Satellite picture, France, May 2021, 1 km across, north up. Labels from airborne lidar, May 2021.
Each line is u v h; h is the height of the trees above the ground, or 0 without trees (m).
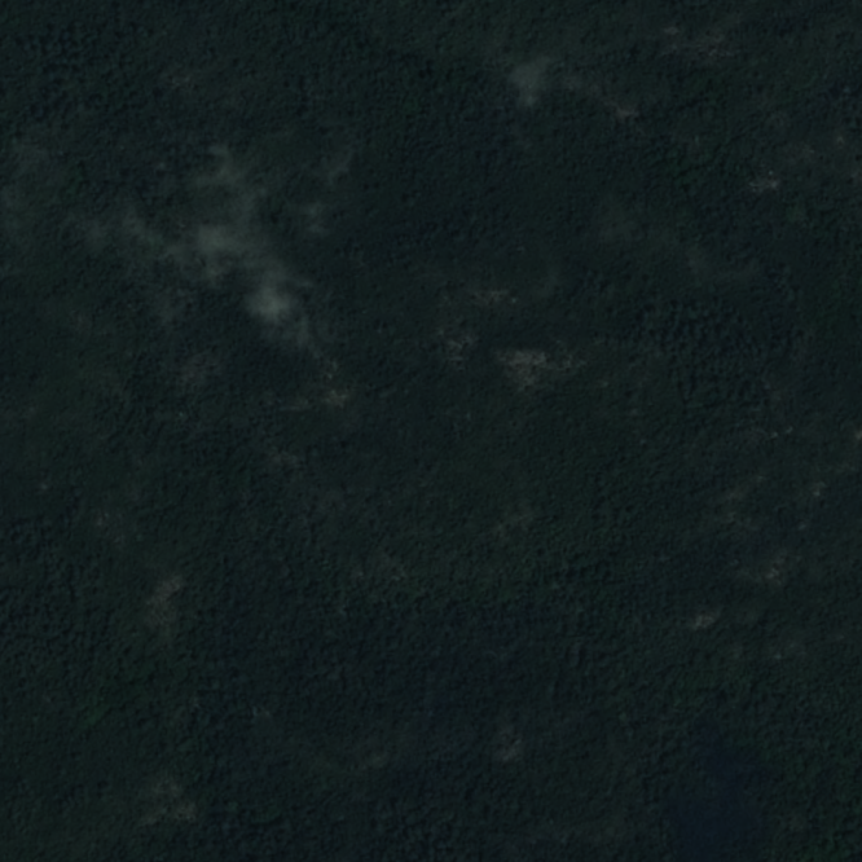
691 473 6
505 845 6
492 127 6
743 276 7
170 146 7
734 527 12
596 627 20
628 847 8
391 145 7
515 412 11
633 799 8
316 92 6
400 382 6
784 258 6
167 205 10
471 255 6
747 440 7
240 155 10
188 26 7
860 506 5
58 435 6
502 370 7
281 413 8
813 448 7
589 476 16
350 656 18
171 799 10
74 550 7
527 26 10
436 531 12
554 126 8
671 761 19
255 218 8
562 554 17
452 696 14
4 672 9
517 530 8
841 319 7
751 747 16
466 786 13
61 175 23
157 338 11
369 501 11
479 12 9
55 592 27
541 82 16
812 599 9
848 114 8
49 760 7
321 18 18
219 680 11
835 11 6
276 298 10
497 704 12
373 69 8
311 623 10
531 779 8
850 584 13
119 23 20
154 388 22
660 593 7
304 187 7
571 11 10
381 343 5
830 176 7
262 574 7
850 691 17
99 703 16
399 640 11
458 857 32
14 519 7
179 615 6
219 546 17
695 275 10
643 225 7
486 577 11
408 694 16
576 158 7
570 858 9
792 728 6
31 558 11
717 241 7
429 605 14
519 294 6
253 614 14
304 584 18
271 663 13
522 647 6
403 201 7
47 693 6
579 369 6
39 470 9
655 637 9
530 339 6
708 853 17
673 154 21
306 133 6
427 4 14
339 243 6
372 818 8
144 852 11
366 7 12
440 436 6
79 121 19
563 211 14
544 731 11
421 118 9
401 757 7
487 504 8
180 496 7
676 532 11
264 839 26
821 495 6
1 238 9
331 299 10
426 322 6
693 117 6
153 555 6
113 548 8
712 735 17
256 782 9
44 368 7
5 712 10
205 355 7
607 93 11
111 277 19
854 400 7
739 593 8
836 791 15
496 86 14
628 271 7
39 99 7
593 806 10
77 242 12
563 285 6
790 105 6
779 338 15
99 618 20
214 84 6
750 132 12
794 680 10
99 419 11
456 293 9
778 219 6
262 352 8
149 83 6
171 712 9
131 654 25
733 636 11
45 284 6
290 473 13
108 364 7
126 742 11
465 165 6
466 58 9
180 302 15
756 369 16
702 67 6
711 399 10
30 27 9
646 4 7
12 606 11
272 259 6
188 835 20
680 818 7
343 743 9
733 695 6
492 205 6
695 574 6
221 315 6
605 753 8
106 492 10
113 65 27
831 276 11
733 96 8
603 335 16
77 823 6
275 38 14
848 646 11
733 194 8
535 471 10
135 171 12
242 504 12
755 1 20
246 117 12
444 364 6
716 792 14
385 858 17
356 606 15
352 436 8
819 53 12
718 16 5
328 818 14
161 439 13
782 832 7
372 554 6
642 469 7
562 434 11
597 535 6
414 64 20
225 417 10
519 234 6
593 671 19
